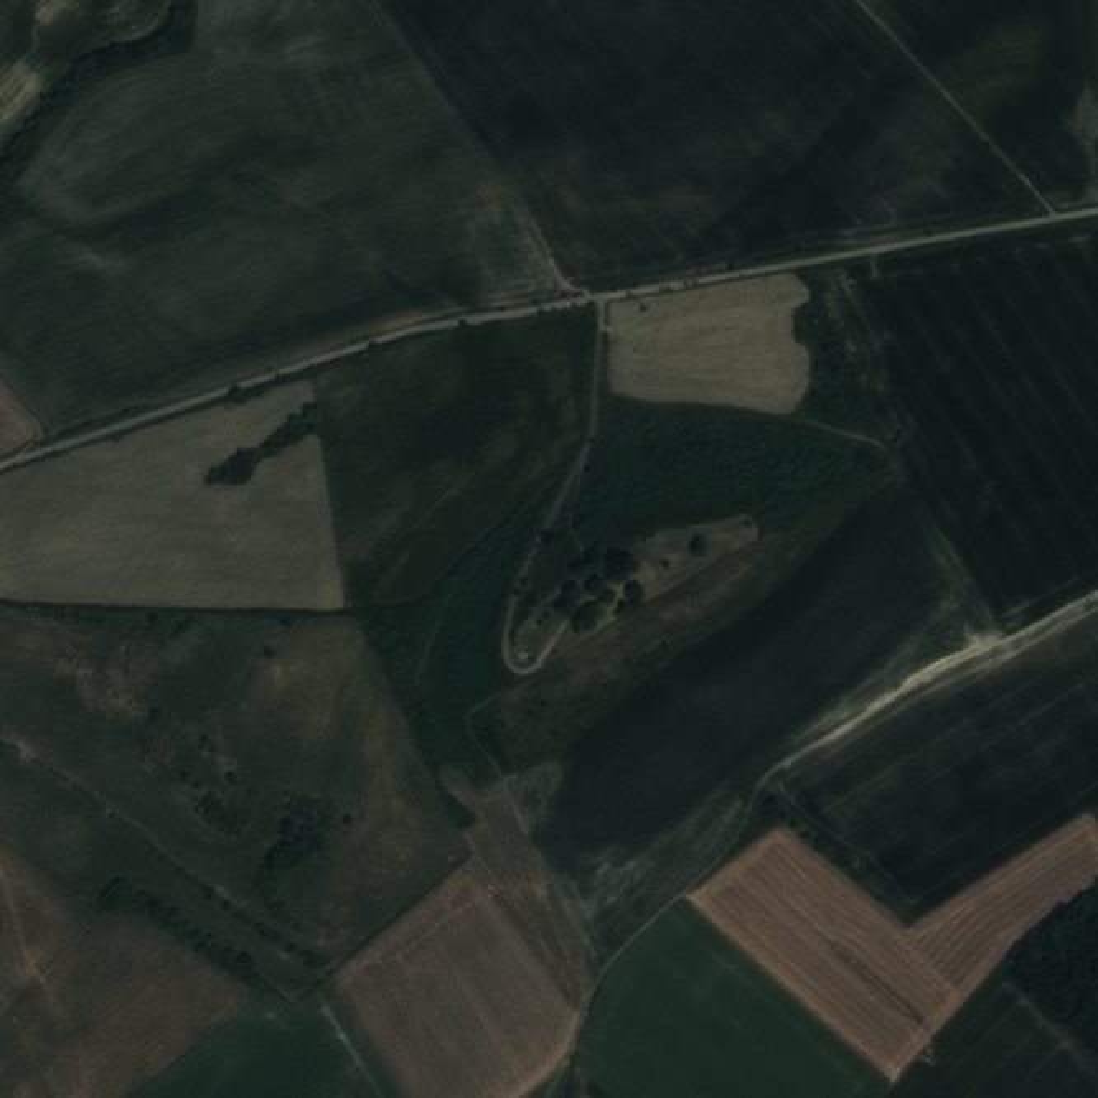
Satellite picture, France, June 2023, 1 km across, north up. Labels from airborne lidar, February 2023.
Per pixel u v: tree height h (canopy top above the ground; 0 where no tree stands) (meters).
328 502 0
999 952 0
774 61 0
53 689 0
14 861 0
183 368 0
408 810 0
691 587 0
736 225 0
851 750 0
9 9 0
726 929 0
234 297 0
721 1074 0
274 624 0
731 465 6
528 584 9
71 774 0
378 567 0
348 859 0
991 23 0
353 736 0
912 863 0
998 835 0
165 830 0
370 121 0
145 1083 0
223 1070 0
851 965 0
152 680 0
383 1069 0
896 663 0
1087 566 0
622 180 0
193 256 0
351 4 0
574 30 0
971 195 0
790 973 0
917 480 0
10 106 0
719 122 0
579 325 0
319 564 0
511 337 0
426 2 0
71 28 0
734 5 0
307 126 0
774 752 0
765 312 0
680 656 0
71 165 0
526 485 0
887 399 0
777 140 0
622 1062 0
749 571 0
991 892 0
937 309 0
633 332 0
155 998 0
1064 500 0
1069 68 0
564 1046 0
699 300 0
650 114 0
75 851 0
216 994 0
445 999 0
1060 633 0
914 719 0
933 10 0
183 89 0
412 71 0
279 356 0
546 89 0
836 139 0
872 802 0
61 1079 0
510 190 0
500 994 0
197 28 0
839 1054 0
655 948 0
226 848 0
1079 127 0
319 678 0
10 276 0
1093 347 0
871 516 0
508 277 0
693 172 0
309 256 0
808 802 0
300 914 0
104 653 0
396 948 0
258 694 0
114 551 0
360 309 0
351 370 0
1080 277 0
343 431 0
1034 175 0
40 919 0
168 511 0
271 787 0
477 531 0
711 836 0
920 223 0
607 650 0
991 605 0
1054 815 0
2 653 0
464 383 0
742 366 0
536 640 0
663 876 0
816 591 0
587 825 0
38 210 0
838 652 0
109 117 0
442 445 0
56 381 0
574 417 0
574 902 0
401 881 0
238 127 0
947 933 0
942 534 0
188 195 0
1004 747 0
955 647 0
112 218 0
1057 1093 0
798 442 5
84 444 0
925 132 0
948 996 0
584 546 0
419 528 0
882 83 0
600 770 0
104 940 0
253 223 0
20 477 0
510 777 0
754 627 0
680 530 0
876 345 0
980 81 0
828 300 0
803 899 0
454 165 0
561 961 0
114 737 0
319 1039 0
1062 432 0
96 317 0
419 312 0
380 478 0
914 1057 0
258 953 0
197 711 0
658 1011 0
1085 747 0
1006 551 0
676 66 0
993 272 0
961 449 0
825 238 0
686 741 0
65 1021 0
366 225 0
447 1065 0
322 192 0
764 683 0
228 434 0
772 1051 0
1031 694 0
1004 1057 0
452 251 0
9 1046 0
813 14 0
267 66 0
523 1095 0
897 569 0
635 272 0
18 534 0
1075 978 24
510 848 0
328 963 0
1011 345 0
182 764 0
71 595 0
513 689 0
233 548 0
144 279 0
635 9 0
